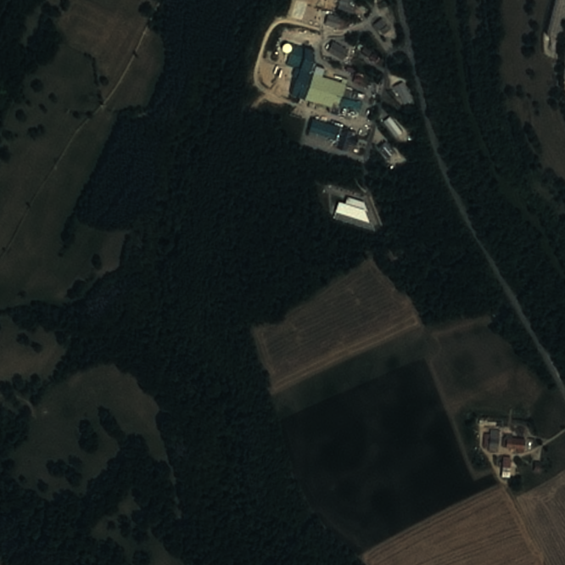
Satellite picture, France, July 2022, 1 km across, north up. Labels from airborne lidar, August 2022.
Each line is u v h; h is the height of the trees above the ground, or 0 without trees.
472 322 0
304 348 0
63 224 0
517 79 0
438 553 0
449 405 0
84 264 0
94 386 0
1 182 0
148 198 29
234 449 17
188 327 15
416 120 18
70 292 12
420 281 18
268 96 0
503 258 23
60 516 19
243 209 19
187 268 17
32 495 21
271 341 0
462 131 21
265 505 21
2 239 0
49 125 0
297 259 24
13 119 0
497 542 0
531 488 0
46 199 0
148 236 13
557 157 0
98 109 0
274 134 19
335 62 18
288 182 25
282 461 19
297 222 25
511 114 10
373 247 19
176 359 18
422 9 14
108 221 26
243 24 20
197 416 24
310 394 0
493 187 19
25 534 27
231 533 29
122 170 22
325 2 0
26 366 0
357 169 21
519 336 19
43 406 0
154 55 0
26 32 0
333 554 16
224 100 19
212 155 15
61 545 24
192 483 23
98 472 0
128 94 0
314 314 0
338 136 0
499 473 0
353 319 0
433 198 22
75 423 0
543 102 0
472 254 23
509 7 0
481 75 18
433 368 0
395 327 0
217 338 14
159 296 11
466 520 0
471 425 10
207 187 15
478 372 0
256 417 19
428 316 17
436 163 12
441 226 25
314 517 13
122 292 18
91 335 18
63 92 0
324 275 19
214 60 16
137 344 23
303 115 0
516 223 20
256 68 0
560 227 13
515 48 0
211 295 19
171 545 25
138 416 0
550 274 19
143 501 22
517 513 0
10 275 0
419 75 14
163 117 17
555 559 0
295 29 0
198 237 16
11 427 15
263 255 25
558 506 0
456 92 20
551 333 29
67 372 14
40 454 0
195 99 22
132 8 0
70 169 0
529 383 0
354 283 0
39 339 0
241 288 23
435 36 18
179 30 25
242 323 13
